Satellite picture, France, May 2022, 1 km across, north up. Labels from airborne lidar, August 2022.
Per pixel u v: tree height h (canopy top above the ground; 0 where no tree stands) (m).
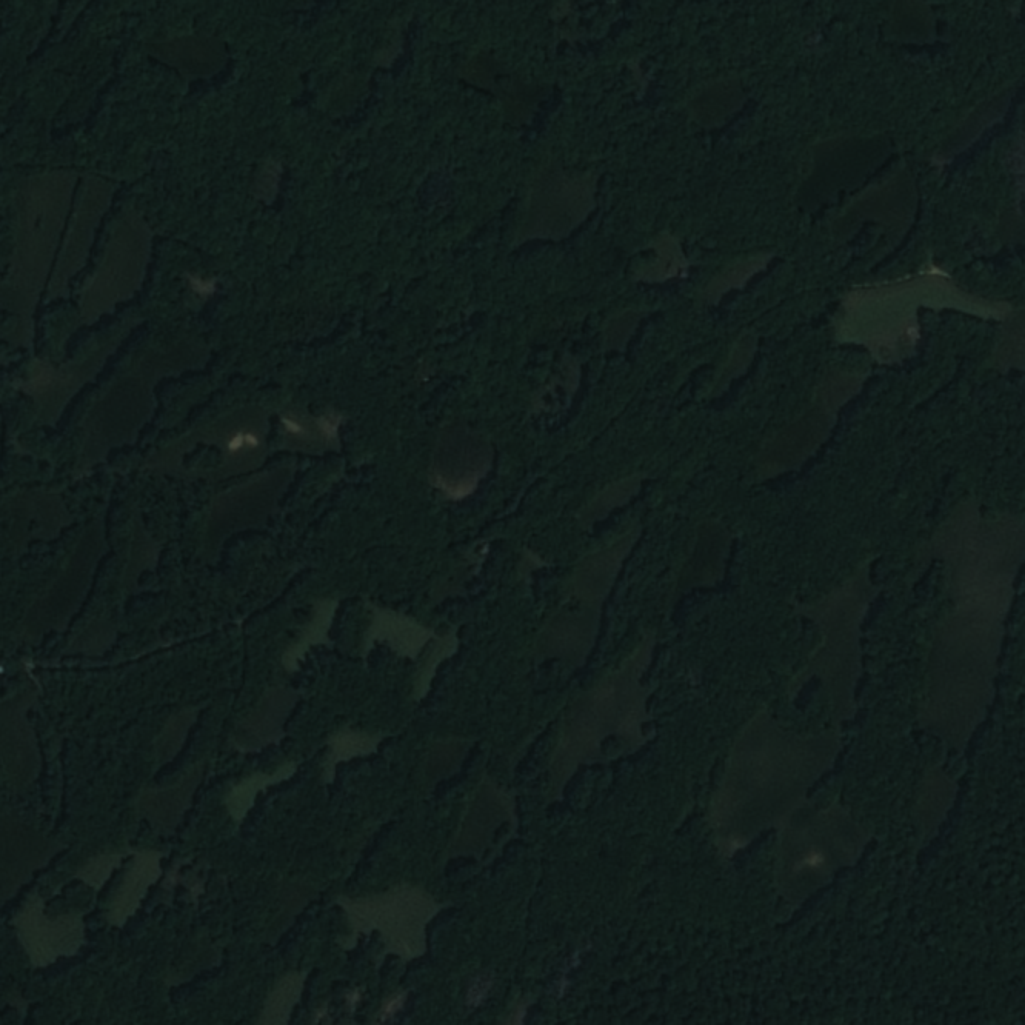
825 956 20
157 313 19
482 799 0
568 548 16
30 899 6
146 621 18
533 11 19
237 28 16
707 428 20
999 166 19
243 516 0
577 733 0
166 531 15
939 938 20
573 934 20
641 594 15
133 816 10
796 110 19
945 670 0
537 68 17
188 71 0
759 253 14
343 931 18
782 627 24
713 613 19
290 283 19
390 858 17
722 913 17
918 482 22
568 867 18
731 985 23
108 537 12
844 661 0
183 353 0
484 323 20
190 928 12
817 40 23
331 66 16
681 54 17
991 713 14
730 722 17
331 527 19
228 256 13
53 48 20
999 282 19
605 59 20
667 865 18
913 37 0
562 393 15
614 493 0
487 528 15
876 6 20
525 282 20
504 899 18
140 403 0
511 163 20
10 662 13
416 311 20
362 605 15
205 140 16
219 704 13
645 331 16
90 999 13
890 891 20
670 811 16
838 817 0
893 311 0
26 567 11
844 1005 18
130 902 0
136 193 17
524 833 15
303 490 17
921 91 18
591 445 18
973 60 16
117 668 8
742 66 19
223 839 17
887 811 18
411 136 19
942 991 20
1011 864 18
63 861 14
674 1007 21
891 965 19
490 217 10
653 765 17
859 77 17
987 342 21
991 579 0
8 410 16
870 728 18
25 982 17
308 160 18
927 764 17
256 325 18
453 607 17
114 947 16
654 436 17
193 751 16
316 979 13
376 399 22
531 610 18
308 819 17
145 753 24
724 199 17
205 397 6
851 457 17
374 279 19
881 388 18
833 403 0
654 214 19
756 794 0
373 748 0
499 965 18
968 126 0
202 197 19
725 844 0
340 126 16
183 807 0
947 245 18
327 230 22
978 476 16
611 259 20
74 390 0
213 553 0
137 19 15
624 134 20
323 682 19
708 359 16
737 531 17
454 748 0
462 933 19
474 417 15
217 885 8
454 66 21
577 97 19
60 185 0
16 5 18
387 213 14
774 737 0
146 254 0
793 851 0
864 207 0
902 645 21
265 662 15
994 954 17
